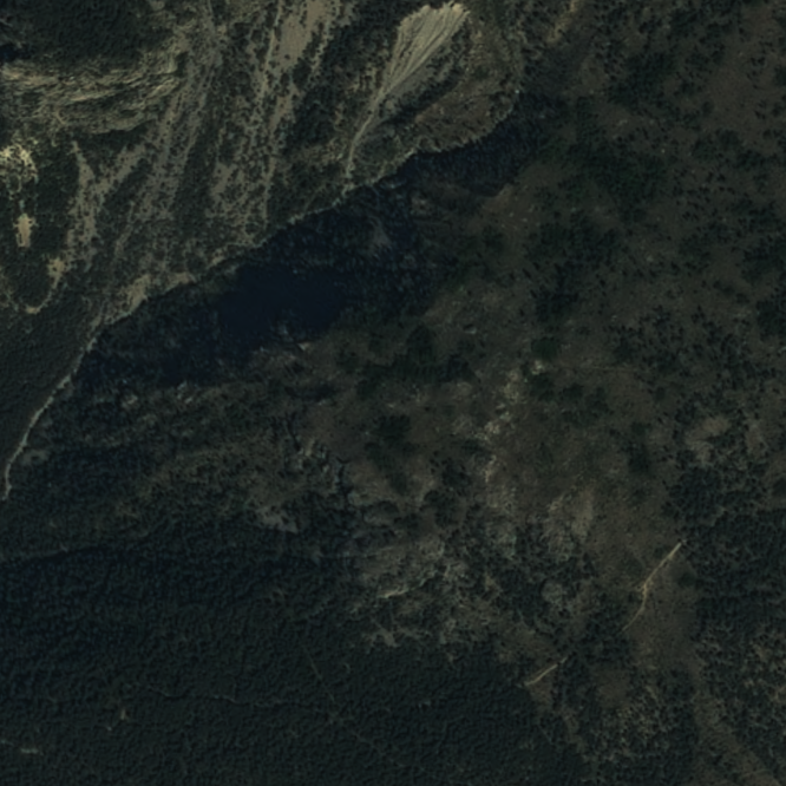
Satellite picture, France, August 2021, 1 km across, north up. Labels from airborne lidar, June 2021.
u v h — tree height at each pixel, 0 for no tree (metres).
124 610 12
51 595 13
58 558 7
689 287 0
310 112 10
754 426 0
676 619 0
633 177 14
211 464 11
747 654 10
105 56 7
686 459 8
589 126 6
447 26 0
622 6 9
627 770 8
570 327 0
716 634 12
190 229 7
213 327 11
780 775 14
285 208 11
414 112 9
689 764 10
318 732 11
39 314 8
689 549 12
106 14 12
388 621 13
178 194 6
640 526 0
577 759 8
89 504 9
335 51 7
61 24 12
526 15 16
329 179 6
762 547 10
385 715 15
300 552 10
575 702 10
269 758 13
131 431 8
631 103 8
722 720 6
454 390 0
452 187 15
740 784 9
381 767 9
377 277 6
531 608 12
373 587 8
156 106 6
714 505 10
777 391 8
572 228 6
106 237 6
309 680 13
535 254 6
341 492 6
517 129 6
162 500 16
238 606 13
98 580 13
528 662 10
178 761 9
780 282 7
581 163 8
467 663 13
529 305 0
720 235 13
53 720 15
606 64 7
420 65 0
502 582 9
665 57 9
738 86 0
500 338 0
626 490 0
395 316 8
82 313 6
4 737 9
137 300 0
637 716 11
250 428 11
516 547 8
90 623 8
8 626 9
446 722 12
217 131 6
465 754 12
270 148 6
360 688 10
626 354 7
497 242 7
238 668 12
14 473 9
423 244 8
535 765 7
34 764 11
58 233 9
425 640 8
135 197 10
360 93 7
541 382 6
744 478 13
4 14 10
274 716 10
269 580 9
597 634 11
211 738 14
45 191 9
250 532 14
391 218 7
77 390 6
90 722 8
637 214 10
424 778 12
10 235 8
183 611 11
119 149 7
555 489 0
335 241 13
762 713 7
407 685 14
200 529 7
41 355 11
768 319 14
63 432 8
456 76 10
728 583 7
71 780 14
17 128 8
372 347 6
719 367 6
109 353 10
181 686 14
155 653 11
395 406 0
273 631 9
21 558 6
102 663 8
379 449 8
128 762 12
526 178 0
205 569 13
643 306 0
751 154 10
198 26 6
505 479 0
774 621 14
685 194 11
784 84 6
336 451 0
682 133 0
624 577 0
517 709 14
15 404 8
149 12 9
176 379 6
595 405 6
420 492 0
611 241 7
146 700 11
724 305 0
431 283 14
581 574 13
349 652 7
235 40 14
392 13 7
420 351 9
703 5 11
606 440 0
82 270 7
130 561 17
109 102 7
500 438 0
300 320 6
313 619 12
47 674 11
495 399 0
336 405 7
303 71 7
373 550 0
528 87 10
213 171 6
